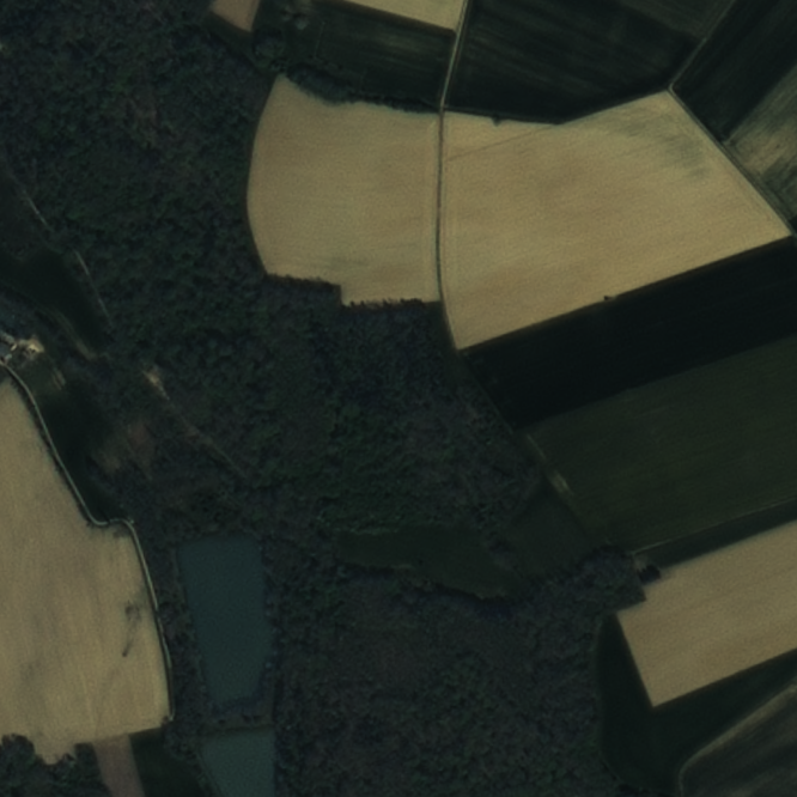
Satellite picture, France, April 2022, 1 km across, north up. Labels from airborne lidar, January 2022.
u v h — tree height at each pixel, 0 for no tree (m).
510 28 0
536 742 32
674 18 0
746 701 0
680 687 0
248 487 31
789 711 0
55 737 0
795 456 0
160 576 22
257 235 0
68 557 0
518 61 0
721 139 0
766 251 0
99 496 0
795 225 0
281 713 20
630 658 0
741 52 0
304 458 20
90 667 0
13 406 0
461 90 0
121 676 0
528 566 0
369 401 33
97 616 0
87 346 0
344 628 20
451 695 25
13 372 0
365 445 17
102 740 0
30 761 25
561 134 0
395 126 0
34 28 34
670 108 0
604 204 0
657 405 0
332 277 0
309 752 13
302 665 31
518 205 0
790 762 0
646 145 0
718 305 0
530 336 0
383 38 0
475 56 0
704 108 0
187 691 21
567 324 0
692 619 0
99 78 28
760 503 0
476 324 0
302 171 0
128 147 28
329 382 25
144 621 0
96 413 0
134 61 28
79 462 0
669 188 0
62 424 0
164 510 16
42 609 0
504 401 0
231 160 26
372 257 0
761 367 0
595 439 0
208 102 27
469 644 17
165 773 0
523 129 0
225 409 29
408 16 0
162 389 33
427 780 23
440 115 0
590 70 0
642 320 0
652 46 0
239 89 26
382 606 25
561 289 0
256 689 0
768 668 0
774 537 0
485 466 29
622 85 0
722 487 0
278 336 29
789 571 0
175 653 20
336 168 0
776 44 0
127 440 0
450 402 33
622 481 0
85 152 18
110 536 0
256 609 0
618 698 0
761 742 0
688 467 0
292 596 24
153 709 0
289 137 0
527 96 0
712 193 0
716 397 0
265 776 0
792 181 0
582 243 0
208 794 12
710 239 0
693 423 0
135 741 0
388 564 0
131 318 29
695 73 0
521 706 25
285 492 29
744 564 0
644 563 0
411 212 0
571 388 0
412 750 25
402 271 0
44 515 0
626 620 0
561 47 0
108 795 21
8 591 0
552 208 0
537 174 0
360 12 0
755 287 0
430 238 0
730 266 0
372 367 33
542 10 0
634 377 0
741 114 0
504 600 0
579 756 35
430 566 0
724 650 0
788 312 0
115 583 0
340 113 0
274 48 25
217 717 19
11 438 0
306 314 29
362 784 25
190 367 30
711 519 0
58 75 34
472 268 0
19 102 34
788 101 0
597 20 0
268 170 0
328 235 0
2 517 0
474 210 0
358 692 24
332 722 25
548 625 31
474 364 0
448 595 22
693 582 0
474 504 22
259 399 28
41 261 0
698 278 0
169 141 27
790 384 0
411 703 20
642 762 0
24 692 0
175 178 27
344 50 0
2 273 0
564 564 0
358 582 26
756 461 0
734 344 0
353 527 9
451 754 28
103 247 26
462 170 0
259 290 28
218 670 0
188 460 28
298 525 29
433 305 0
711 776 0
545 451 0
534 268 0
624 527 0
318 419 19
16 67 30
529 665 19
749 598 0
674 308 0
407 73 0
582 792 26
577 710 33
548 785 28
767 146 0
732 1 0
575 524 0
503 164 0
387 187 0
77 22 23
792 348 0
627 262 0
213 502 7
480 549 0
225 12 0
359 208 0
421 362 28
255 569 0
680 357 0
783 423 0
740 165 0
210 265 19
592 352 0
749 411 0
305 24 9
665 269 0
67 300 0
